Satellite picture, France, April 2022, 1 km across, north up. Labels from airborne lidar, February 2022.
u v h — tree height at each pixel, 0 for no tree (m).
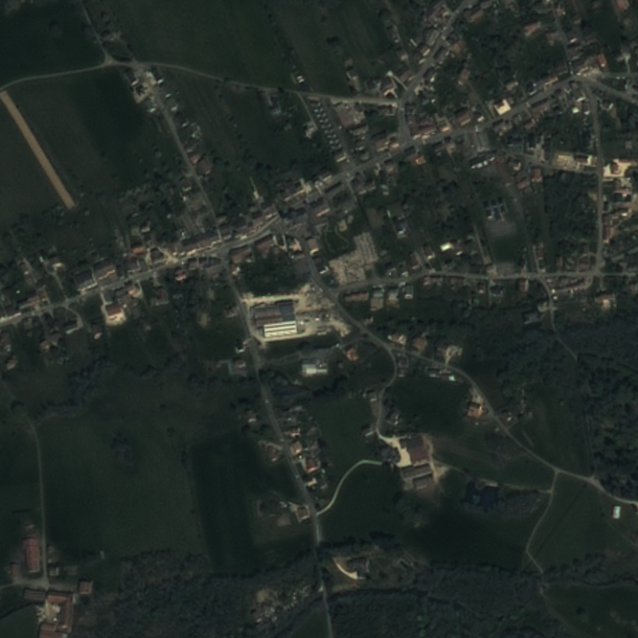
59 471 0
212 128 0
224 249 0
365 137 0
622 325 24
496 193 0
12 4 14
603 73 0
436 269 0
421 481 0
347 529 0
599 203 0
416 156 0
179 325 6
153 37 0
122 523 0
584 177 10
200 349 0
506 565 0
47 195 0
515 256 0
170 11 0
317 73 0
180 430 0
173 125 0
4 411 0
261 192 0
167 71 0
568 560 0
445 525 0
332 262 0
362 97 0
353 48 0
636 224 0
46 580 0
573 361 0
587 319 0
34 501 0
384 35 0
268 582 16
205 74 0
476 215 0
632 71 0
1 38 0
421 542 0
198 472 0
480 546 0
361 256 0
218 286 0
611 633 0
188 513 0
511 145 0
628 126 10
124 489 0
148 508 0
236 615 25
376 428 0
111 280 0
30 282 0
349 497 0
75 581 0
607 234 0
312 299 0
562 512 0
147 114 0
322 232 0
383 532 0
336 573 0
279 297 0
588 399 13
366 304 0
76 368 0
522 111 0
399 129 0
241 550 0
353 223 0
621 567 0
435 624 23
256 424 0
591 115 0
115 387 0
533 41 0
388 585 25
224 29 0
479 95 0
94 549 0
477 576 21
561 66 0
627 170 0
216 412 0
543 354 22
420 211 0
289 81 0
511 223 0
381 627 0
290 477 0
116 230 0
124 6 0
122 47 0
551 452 0
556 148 0
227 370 0
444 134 0
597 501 0
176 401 0
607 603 0
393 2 0
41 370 0
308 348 17
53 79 0
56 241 0
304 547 0
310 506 0
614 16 0
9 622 0
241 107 0
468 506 18
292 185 0
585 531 0
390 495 0
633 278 0
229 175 0
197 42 0
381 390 0
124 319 0
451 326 7
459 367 0
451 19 0
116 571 0
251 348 0
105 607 22
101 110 0
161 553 7
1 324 0
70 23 0
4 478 0
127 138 0
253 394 0
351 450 0
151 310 0
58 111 0
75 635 10
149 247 0
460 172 0
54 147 0
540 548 0
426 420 0
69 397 0
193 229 0
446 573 21
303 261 0
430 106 0
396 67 0
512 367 20
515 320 0
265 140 0
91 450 0
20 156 0
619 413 28
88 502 0
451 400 0
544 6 7
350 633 0
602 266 0
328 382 0
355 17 0
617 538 0
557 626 11
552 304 0
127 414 0
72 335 0
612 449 24
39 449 0
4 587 0
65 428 0
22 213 0
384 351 0
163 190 12
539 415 0
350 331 0
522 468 0
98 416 0
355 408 0
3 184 0
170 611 22
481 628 23
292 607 0
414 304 0
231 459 0
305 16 0
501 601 23
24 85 0
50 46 0
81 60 0
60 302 0
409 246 0
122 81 0
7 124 0
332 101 0
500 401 0
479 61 0
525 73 0
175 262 0
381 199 0
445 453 0
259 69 0
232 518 0
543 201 0
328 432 0
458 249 0
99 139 0
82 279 0
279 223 0
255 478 0
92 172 0
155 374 18
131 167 0
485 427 0
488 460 0
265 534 0
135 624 24
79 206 0
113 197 0
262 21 0
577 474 0
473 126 0
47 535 0
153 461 0
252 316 0
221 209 6
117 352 0
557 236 13
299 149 0
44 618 0
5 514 0
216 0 0
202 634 21
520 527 0
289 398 14
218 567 0
